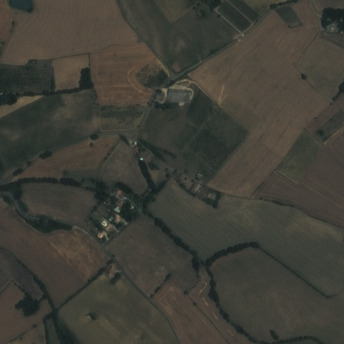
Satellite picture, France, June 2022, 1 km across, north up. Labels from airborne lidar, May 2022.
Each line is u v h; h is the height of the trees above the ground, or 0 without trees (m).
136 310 0
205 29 0
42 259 0
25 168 0
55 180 18
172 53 0
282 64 0
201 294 0
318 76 0
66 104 0
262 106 0
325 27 13
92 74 0
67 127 0
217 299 17
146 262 0
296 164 0
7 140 0
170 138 0
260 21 0
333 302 0
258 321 0
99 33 0
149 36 0
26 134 0
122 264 0
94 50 0
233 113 0
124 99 0
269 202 0
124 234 0
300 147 0
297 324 0
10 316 0
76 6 0
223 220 0
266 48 0
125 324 0
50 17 0
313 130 0
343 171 0
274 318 0
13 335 0
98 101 0
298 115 0
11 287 0
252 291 0
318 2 0
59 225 11
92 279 6
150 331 0
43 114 0
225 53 0
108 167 0
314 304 0
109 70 0
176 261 0
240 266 0
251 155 0
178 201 0
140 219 0
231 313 0
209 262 15
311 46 0
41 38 0
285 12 0
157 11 0
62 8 0
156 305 0
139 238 0
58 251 0
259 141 0
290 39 0
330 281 0
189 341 0
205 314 0
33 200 0
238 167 0
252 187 0
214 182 0
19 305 12
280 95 0
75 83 0
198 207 0
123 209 8
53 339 0
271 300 0
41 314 0
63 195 0
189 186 0
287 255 0
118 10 0
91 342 0
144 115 0
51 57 0
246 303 0
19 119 0
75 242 0
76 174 0
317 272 0
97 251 0
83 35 0
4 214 0
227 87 0
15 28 0
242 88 0
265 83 0
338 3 0
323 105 0
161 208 0
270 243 0
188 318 0
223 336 0
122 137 8
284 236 0
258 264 0
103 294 0
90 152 0
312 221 0
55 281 0
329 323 0
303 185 0
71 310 0
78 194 0
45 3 0
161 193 0
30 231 0
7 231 0
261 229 0
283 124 0
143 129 0
